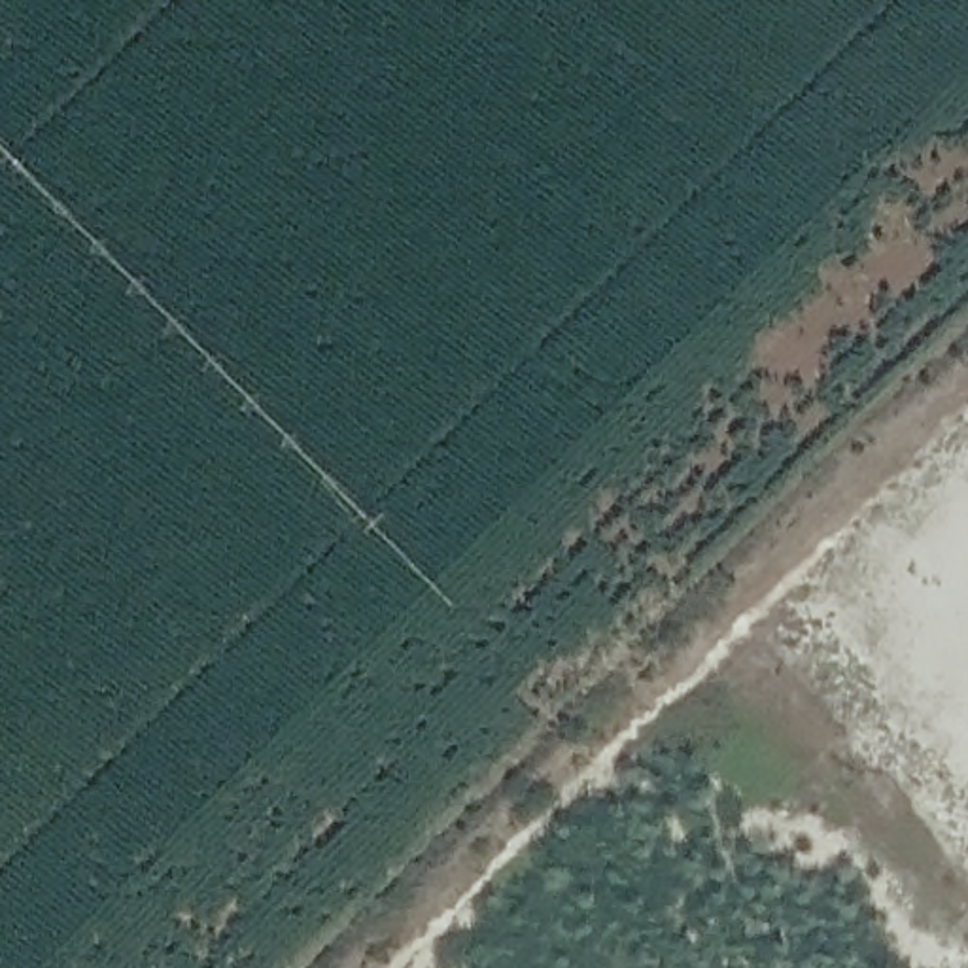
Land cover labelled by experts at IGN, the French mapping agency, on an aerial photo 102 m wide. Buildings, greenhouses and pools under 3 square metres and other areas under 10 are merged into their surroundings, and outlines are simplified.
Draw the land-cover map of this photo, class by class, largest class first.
<instances>
[{"label":"agricultural land","instance_id":"1","mask_svg":"<svg viewBox=\"0 0 968 968\"><path fill-rule=\"evenodd\" d=\"M957 314L968 318V0H0V968H306L329 942H337V934L348 930L352 915L359 911V892H367L371 885L386 889L408 866L416 855L431 847L439 832H446L461 817L469 802L484 798L492 787L503 783V771L537 745L541 734L529 726L537 718V707H526L518 700L522 677L537 662L579 654L590 628H609L620 601L647 590L658 571L677 575L681 567H696L730 529H737L752 514L756 503H764L794 473V465L817 442H824L839 424H847L885 386V378L896 367H904L919 348H926Z\"/></svg>","mask_w":968,"mask_h":968},{"label":"herbaceous vegetation","instance_id":"2","mask_svg":"<svg viewBox=\"0 0 968 968\"><path fill-rule=\"evenodd\" d=\"M968 439V318L957 314L926 348H919L904 367H896L885 378V386L847 424H839L824 442H817L794 465V473L764 503H756L752 514L737 529H730L696 567L707 575L722 560L734 571V586L726 594V613L734 620L745 609H752L790 567H798L821 537L843 529L847 541L824 552L821 567L805 571V582L783 594V601L752 624V631L718 662V669L700 688L669 703L662 718L650 722L616 756L609 787L654 790L666 756H681L684 741L696 745L700 737H718L722 749L707 752L711 775L700 802L703 809H715L718 794L726 790L749 809H783L798 817L809 813L821 817L828 828L858 836L866 851H885L892 873H900L904 892L915 896L911 926L934 934L942 945H968V877L953 870V862L942 855L930 824L915 813L896 775L851 752V734L858 726L877 734L889 730L885 707L873 700V673L855 662L851 647L836 639L832 613L817 620L798 616L794 609L798 601L828 594L843 605H855V582L866 579V556L858 548L873 533V526L889 522L915 499H926L930 488H938L957 469L960 446ZM666 616L662 597L647 590L620 601L609 628H590L579 654L537 662L522 677L518 700L526 707H537V718L529 726L541 734L567 703H579L582 692L601 684L613 669L628 681L635 715L650 711L654 696L688 677L730 624L703 620L692 631V643L681 650L666 643L658 650H643V628ZM597 756V749L582 741L560 745L537 768V775L556 787L582 771ZM522 824L507 802L495 813L480 817V824L461 832L450 858L427 870L424 889L416 885V873L408 866L386 889L371 885L367 892H359V911L352 915L348 930L337 934V942H329L306 968H382L401 945L424 934V926L442 908L458 904L469 881L484 873L488 858L507 847V839Z\"/></svg>","mask_w":968,"mask_h":968},{"label":"brushwood","instance_id":"3","mask_svg":"<svg viewBox=\"0 0 968 968\"><path fill-rule=\"evenodd\" d=\"M734 586V571L722 560L707 575L696 567H681L677 575L658 571L647 590L662 597L666 616L643 628V650H658L666 643L681 650L692 643V631L703 620L730 624L734 620L726 613V594ZM635 715L628 681L613 669L601 684L582 692L579 703H567L541 734L537 745L503 771V783L492 787L484 798L469 802L461 817L446 832H439L431 847L416 855L408 866L416 873V885L424 889L427 870L450 858L461 832L480 824V817L495 813L507 802L522 824L545 805V798L556 794V787L537 775V768L560 745L582 741L597 749ZM722 749L718 737H700L696 745L684 741L681 756H666L654 790L609 787L579 794L571 805H563L548 821V828L476 896L473 926H454L435 945V960L442 968H911L892 949L885 915L873 908L870 889L858 881V870L847 855H836L828 866H798L787 851H760L741 824L749 809L726 790L718 794L715 809H703L700 802L711 775L707 752Z\"/></svg>","mask_w":968,"mask_h":968},{"label":"pervious surface","instance_id":"4","mask_svg":"<svg viewBox=\"0 0 968 968\"><path fill-rule=\"evenodd\" d=\"M866 556V579L855 582V605H843L828 594L798 601L794 609L798 616L817 620L832 613L836 639L851 647L855 662L873 673V700L885 707L889 730L877 734L858 726L851 734V752L896 775L915 813L930 824L942 855L953 862V870L968 877V439L960 446L957 469L938 488H930L926 499H915L889 522L873 526V533L858 548ZM847 541L843 529L821 537L798 567H790L752 609H745L730 624L688 677L654 696L650 711L635 715L597 749V756L582 771L556 787V794L545 798V805L522 824L507 839V847L488 858L484 873L469 881L458 904L442 908L424 926V934L401 945L382 968H442L435 960V945L454 926H473L476 896L548 828V821L563 805H571L579 794L609 787L616 756L650 722L662 718L669 703L700 688L718 669V662L752 631V624L783 601V594L805 582V571L821 567L824 552ZM741 824L760 851H787L798 866H828L836 855H847L858 870V881L870 889L873 908L885 915L892 949L911 968H968V945H942L934 934L911 926L915 896L904 892L900 873H892L885 851H866L858 836L828 828L821 817L809 813L798 817L783 809H749Z\"/></svg>","mask_w":968,"mask_h":968}]
</instances>
